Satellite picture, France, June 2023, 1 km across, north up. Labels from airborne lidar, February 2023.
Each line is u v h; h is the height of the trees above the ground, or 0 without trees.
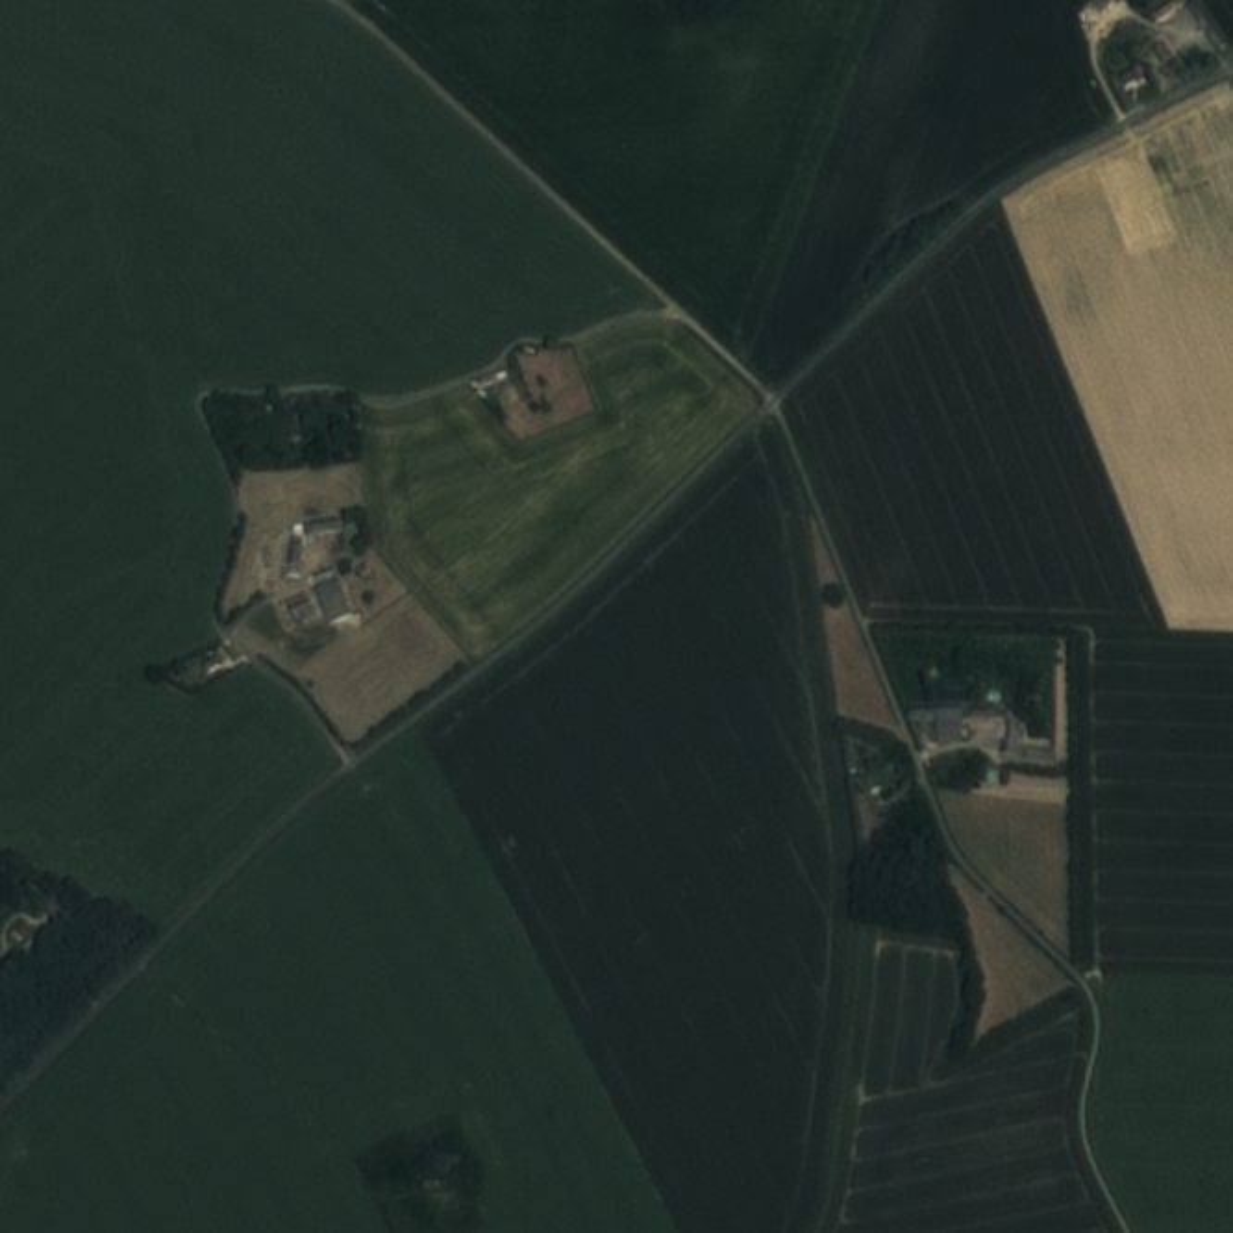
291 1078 0
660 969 0
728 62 0
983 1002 13
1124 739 0
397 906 0
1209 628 0
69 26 0
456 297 0
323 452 12
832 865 0
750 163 0
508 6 0
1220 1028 0
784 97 0
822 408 0
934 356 0
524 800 0
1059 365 0
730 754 0
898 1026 0
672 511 0
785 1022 0
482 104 0
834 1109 0
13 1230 0
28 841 0
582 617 0
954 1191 0
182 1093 0
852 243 0
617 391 0
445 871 0
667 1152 0
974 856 0
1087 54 0
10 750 0
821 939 0
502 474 0
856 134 0
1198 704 0
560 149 0
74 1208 0
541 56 0
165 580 0
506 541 0
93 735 0
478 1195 0
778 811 0
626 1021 0
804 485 0
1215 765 0
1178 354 0
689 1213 0
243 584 0
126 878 0
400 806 0
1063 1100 0
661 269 0
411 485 0
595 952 0
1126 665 0
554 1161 0
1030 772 8
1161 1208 0
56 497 0
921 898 20
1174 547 0
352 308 0
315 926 0
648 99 0
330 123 0
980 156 0
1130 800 0
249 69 0
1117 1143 0
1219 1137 0
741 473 0
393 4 0
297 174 0
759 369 0
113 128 0
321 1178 0
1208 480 0
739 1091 0
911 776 6
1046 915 0
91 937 23
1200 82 0
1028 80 0
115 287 0
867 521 0
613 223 0
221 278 0
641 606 0
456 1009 0
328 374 0
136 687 0
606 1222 0
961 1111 0
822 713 0
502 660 0
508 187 0
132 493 0
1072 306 0
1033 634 10
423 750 0
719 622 0
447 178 0
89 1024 0
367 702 0
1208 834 0
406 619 0
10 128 0
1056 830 0
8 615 0
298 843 0
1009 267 0
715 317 0
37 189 0
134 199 0
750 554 0
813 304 0
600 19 0
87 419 0
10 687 0
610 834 0
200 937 0
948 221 15
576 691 0
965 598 0
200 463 0
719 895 0
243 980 0
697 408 0
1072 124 0
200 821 0
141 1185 0
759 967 0
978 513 0
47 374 0
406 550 0
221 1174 0
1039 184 0
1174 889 0
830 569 0
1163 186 0
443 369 0
